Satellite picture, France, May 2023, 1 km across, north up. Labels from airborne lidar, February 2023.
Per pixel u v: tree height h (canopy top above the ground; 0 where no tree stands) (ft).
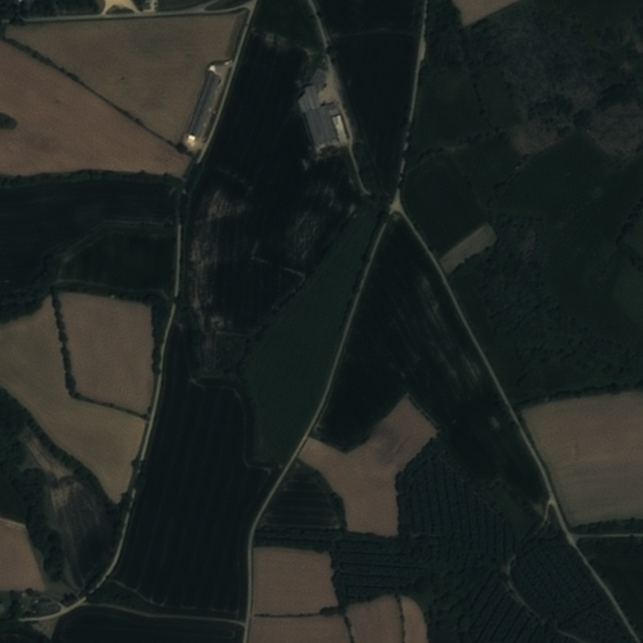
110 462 0
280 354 0
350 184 0
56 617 0
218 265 0
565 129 24
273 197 0
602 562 0
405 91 0
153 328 28
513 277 33
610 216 0
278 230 0
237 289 0
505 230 38
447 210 0
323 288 0
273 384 0
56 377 0
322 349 0
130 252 0
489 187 0
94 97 0
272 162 0
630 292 0
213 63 0
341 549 52
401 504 37
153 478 0
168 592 0
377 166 0
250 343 21
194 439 0
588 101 0
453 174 0
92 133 0
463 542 50
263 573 0
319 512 0
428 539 40
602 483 0
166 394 0
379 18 0
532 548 55
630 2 0
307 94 0
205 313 0
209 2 0
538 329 21
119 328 0
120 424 0
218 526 0
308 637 0
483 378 0
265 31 0
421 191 0
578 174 0
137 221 0
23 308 53
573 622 45
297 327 0
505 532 52
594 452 0
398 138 0
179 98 0
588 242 0
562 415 0
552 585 56
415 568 61
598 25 0
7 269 0
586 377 0
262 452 0
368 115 0
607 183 0
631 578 0
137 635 0
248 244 0
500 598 42
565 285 0
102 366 0
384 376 0
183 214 60
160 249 0
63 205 0
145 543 0
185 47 0
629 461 0
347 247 0
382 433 0
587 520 0
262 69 0
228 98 0
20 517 0
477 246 0
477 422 0
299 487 0
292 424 0
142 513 0
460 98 0
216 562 0
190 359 0
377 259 0
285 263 0
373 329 0
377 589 54
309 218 0
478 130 0
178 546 0
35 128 0
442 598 22
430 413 0
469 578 55
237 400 0
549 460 0
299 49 0
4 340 0
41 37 0
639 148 20
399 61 0
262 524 0
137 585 0
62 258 0
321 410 0
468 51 27
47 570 49
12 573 0
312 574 0
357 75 0
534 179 0
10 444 28
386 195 0
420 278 0
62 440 0
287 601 0
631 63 0
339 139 0
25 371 0
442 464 46
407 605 0
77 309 0
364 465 0
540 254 27
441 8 19
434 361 0
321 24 0
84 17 0
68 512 0
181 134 0
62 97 0
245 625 0
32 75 0
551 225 0
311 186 0
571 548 36
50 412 0
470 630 54
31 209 0
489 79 0
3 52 0
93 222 0
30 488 29
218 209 0
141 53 0
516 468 0
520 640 51
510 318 22
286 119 0
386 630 0
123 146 0
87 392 0
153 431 0
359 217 0
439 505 52
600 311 0
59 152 0
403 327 0
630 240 0
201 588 0
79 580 0
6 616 0
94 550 0
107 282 0
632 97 18
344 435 0
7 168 0
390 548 40
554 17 0
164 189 0
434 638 45
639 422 0
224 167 0
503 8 0
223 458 0
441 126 0
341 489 0
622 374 26
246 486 0
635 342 0
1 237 0
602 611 50
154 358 33
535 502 0
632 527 26
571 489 0
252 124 0
